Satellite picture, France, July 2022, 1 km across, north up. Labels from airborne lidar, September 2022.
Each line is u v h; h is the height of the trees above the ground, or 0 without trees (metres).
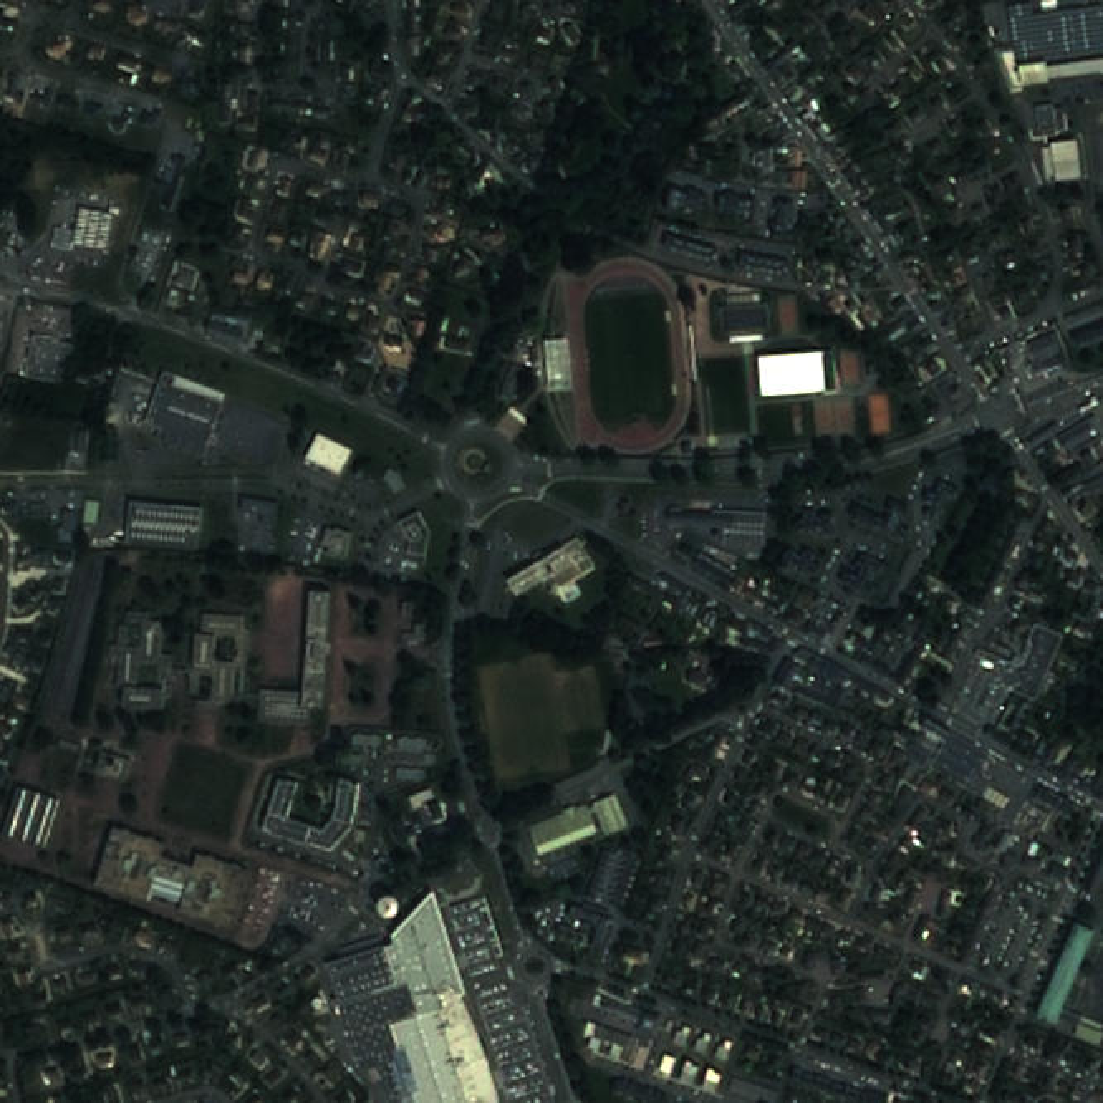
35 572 0
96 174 0
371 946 0
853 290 0
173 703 0
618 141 20
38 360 0
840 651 7
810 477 20
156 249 0
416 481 0
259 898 0
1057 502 0
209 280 10
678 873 0
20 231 12
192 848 0
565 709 0
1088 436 0
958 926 6
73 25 0
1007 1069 8
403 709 15
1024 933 0
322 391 0
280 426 0
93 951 0
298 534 0
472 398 13
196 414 0
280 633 0
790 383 0
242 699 0
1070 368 0
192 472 0
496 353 18
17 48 0
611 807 0
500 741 0
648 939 8
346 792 0
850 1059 6
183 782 0
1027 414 0
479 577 0
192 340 0
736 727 0
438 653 0
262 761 0
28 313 0
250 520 0
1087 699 19
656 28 14
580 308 0
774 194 0
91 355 10
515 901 7
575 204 25
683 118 22
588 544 12
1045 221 0
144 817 0
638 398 0
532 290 25
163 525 0
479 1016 0
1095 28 0
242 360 0
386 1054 0
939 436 0
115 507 0
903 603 13
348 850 0
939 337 0
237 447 0
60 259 0
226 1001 0
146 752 0
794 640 0
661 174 17
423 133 20
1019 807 0
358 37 12
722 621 8
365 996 0
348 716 0
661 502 0
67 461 0
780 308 0
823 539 0
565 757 0
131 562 0
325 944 0
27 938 0
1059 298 0
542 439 0
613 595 19
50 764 0
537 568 0
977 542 15
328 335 14
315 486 0
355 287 6
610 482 0
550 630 19
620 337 0
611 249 15
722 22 0
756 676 10
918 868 6
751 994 0
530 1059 0
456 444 0
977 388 0
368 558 6
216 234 11
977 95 0
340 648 0
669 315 0
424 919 0
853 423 0
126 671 0
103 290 0
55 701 0
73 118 0
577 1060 13
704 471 19
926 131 0
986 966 0
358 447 0
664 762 12
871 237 0
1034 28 0
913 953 0
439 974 0
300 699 0
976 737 0
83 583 0
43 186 0
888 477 0
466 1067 0
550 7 8
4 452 0
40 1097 0
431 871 15
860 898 0
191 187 0
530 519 0
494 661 0
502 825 22
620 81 0
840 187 0
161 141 0
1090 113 0
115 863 0
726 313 0
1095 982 0
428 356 11
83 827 0
